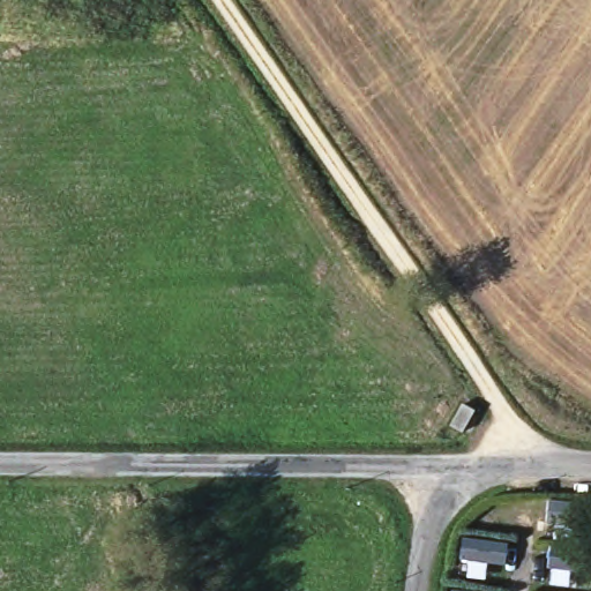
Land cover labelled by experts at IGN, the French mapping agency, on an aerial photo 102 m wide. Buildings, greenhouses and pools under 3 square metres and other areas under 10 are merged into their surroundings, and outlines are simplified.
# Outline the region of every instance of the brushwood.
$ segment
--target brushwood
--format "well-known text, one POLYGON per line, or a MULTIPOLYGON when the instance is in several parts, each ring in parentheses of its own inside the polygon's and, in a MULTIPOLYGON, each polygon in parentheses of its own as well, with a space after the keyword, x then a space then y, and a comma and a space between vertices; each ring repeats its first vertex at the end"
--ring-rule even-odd
POLYGON ((353 252, 353 259, 362 265, 362 270, 367 275, 379 275, 386 289, 395 284, 397 272, 291 118, 279 127, 282 139, 289 141, 291 150, 298 155, 298 169, 302 173, 307 189, 319 199, 323 215, 335 224, 337 233, 346 240, 346 247, 353 252))
POLYGON ((432 561, 427 591, 508 591, 499 586, 487 586, 485 579, 473 579, 462 570, 457 545, 469 529, 466 522, 485 522, 485 517, 496 508, 510 508, 519 501, 531 499, 549 501, 566 501, 566 506, 577 506, 584 499, 584 492, 566 487, 561 480, 552 478, 529 487, 496 485, 476 494, 446 526, 436 547, 436 556, 432 561))

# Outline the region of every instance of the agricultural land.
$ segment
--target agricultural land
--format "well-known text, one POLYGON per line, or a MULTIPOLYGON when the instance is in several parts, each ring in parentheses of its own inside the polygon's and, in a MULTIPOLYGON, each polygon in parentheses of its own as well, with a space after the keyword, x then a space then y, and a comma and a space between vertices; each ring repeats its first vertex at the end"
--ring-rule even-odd
POLYGON ((404 496, 392 487, 392 482, 386 480, 279 476, 0 476, 0 591, 125 591, 122 579, 127 579, 132 573, 141 573, 141 556, 145 552, 157 552, 162 547, 173 547, 178 554, 185 556, 185 566, 192 570, 192 591, 404 591, 413 517, 409 513, 404 496))
POLYGON ((538 374, 556 383, 573 386, 579 395, 591 392, 591 0, 261 0, 277 18, 291 46, 316 74, 328 97, 342 109, 344 118, 351 122, 362 143, 376 157, 379 166, 386 171, 388 180, 402 196, 409 212, 416 215, 418 224, 429 233, 429 238, 441 247, 446 256, 459 254, 464 247, 482 247, 494 238, 510 240, 508 254, 513 268, 499 282, 489 282, 482 289, 478 289, 478 302, 492 314, 492 319, 510 337, 510 342, 524 351, 526 362, 533 365, 538 374))
POLYGON ((429 291, 427 277, 416 270, 397 272, 395 284, 386 289, 379 275, 367 275, 362 270, 362 265, 353 259, 353 252, 346 247, 346 240, 337 233, 335 224, 323 215, 319 199, 307 189, 302 173, 298 169, 298 155, 291 150, 289 141, 282 139, 279 127, 265 113, 247 78, 235 69, 233 60, 217 46, 212 30, 196 18, 196 12, 192 7, 180 12, 180 18, 175 23, 152 23, 150 39, 104 37, 104 42, 97 46, 88 44, 62 48, 35 48, 35 39, 25 42, 23 35, 0 35, 0 452, 450 455, 469 452, 478 446, 482 441, 492 411, 487 399, 480 395, 476 381, 471 379, 462 360, 450 349, 448 339, 441 335, 441 330, 434 326, 429 316, 429 309, 439 305, 434 293, 429 291))

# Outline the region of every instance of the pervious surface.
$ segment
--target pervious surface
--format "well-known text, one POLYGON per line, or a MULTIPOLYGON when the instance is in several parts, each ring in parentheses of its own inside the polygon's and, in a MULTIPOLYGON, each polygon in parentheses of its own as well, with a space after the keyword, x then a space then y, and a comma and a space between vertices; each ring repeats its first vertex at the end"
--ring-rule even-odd
POLYGON ((439 305, 429 309, 429 316, 434 326, 441 330, 441 335, 448 339, 450 349, 462 360, 471 379, 476 381, 480 395, 487 399, 492 411, 482 441, 478 446, 485 457, 536 457, 549 452, 554 443, 533 432, 510 409, 492 376, 487 374, 485 365, 457 328, 457 323, 452 321, 452 316, 446 312, 446 307, 439 305))
POLYGON ((353 175, 346 171, 346 166, 342 164, 342 159, 314 122, 314 118, 309 115, 309 111, 302 106, 302 102, 298 99, 298 95, 293 92, 293 88, 265 51, 265 46, 259 42, 259 37, 254 35, 254 30, 249 28, 249 23, 245 21, 233 0, 210 0, 224 18, 226 28, 254 60, 254 65, 259 67, 268 85, 275 90, 277 99, 291 118, 397 272, 416 270, 416 263, 397 242, 388 224, 369 203, 360 185, 353 180, 353 175))
POLYGON ((508 577, 517 582, 533 582, 536 575, 536 561, 524 559, 522 566, 508 563, 503 568, 508 577))

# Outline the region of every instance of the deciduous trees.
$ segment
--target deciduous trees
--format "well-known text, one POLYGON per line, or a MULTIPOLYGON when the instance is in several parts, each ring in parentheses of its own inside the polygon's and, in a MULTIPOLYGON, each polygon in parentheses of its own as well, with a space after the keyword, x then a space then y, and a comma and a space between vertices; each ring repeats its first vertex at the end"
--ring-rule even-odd
POLYGON ((584 492, 584 499, 577 506, 566 506, 561 515, 561 522, 570 526, 570 536, 556 538, 556 547, 552 549, 554 556, 561 559, 566 570, 570 570, 570 582, 568 586, 549 584, 533 586, 533 591, 591 591, 591 494, 584 492))

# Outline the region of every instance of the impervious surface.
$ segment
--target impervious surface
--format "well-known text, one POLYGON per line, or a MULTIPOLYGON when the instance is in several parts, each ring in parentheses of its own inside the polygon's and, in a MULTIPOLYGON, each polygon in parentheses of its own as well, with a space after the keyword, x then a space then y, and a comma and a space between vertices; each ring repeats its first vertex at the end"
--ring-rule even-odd
POLYGON ((552 478, 561 480, 566 487, 584 492, 591 494, 591 452, 554 443, 549 452, 536 457, 485 457, 478 446, 469 452, 450 455, 0 452, 0 476, 279 476, 386 480, 392 482, 392 487, 404 496, 409 513, 413 517, 404 591, 427 591, 432 561, 436 556, 436 547, 446 526, 476 494, 496 485, 529 487, 552 478))

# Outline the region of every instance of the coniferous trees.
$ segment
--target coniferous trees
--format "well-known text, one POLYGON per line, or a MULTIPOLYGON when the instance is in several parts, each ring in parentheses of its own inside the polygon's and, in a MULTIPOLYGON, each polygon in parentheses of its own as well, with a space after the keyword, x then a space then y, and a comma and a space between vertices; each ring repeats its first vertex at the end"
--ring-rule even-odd
POLYGON ((127 579, 122 579, 125 591, 192 591, 192 570, 185 566, 185 556, 178 554, 173 547, 162 547, 157 552, 145 552, 141 556, 141 573, 132 573, 127 579))

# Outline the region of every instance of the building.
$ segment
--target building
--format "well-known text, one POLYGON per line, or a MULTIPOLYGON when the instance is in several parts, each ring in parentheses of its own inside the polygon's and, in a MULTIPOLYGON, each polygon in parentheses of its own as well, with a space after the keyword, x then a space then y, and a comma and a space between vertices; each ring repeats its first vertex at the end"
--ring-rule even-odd
POLYGON ((570 570, 566 570, 561 559, 554 556, 552 549, 547 547, 545 554, 536 554, 536 561, 536 575, 549 575, 549 584, 568 586, 570 582, 570 570))
POLYGON ((549 501, 549 517, 561 515, 566 506, 566 501, 549 501))
POLYGON ((503 568, 508 563, 508 543, 517 543, 515 533, 469 529, 457 545, 462 570, 473 579, 485 579, 489 566, 503 568))

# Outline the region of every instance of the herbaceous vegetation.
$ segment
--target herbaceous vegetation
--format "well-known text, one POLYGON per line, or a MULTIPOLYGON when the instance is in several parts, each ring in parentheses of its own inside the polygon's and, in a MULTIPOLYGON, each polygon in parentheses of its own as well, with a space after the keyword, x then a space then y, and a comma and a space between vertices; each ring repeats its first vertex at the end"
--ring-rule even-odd
POLYGON ((547 547, 552 549, 556 547, 556 538, 570 536, 570 526, 561 522, 561 515, 549 517, 549 501, 531 499, 519 501, 510 508, 496 508, 485 517, 485 522, 466 522, 469 529, 515 533, 517 543, 508 543, 508 563, 522 566, 524 559, 536 561, 536 554, 545 554, 547 547))
POLYGON ((217 46, 233 60, 235 69, 247 78, 265 113, 279 127, 291 118, 277 99, 275 90, 268 85, 259 67, 254 65, 254 60, 226 28, 224 18, 210 0, 0 0, 0 35, 23 35, 25 42, 35 39, 35 48, 62 48, 88 44, 97 46, 104 42, 104 37, 150 39, 152 23, 175 23, 180 18, 180 12, 192 7, 196 12, 196 18, 212 30, 217 46))
POLYGON ((452 321, 457 323, 457 328, 485 365, 487 374, 492 376, 510 409, 533 432, 554 443, 591 452, 591 392, 579 395, 573 386, 556 383, 538 374, 533 365, 526 362, 524 351, 510 342, 510 337, 492 319, 492 314, 478 302, 478 289, 482 289, 489 282, 499 282, 513 268, 508 254, 510 240, 494 238, 482 247, 464 247, 459 254, 446 256, 441 247, 429 238, 429 233, 418 224, 416 215, 409 212, 402 196, 388 180, 386 171, 379 166, 376 157, 362 143, 351 122, 344 118, 342 109, 328 97, 316 74, 291 46, 277 18, 261 0, 233 0, 245 21, 249 23, 249 28, 254 30, 254 35, 259 37, 259 42, 265 46, 265 51, 293 88, 293 92, 298 95, 298 99, 302 102, 302 106, 309 111, 309 115, 314 118, 314 122, 342 159, 342 164, 346 166, 346 171, 353 175, 353 180, 360 185, 369 203, 388 224, 397 242, 416 263, 416 270, 427 277, 429 291, 434 293, 439 305, 446 307, 446 312, 452 316, 452 321))
POLYGON ((489 566, 485 579, 487 586, 499 586, 508 591, 533 591, 533 586, 549 584, 549 575, 536 575, 533 582, 517 582, 508 577, 503 568, 489 566))

